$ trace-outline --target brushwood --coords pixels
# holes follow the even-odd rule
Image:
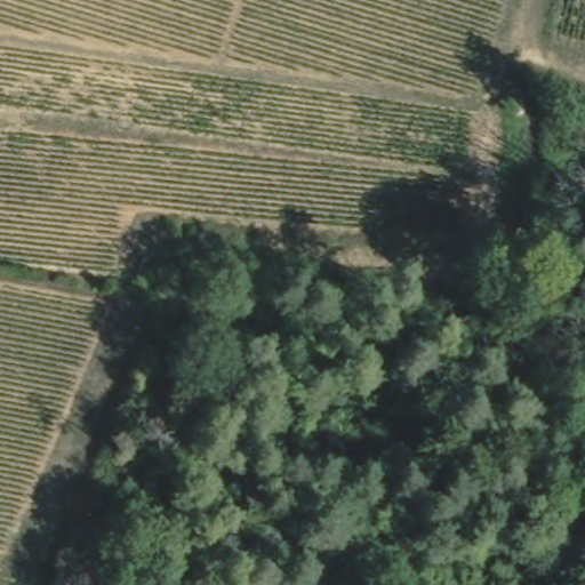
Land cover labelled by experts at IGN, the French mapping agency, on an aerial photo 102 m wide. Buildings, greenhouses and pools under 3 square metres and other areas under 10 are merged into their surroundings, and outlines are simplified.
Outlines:
[[[94,304],[105,295],[114,295],[119,290],[121,274],[64,274],[50,270],[32,270],[18,261],[0,258],[0,279],[43,283],[57,290],[82,295],[94,290]]]

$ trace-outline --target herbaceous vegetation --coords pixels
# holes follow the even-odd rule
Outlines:
[[[315,233],[308,226],[311,215],[290,206],[281,210],[279,231],[199,219],[183,222],[178,217],[158,215],[153,219],[142,222],[137,229],[128,229],[121,235],[123,251],[128,254],[123,258],[121,274],[119,290],[114,295],[105,295],[94,304],[89,313],[89,324],[101,338],[96,361],[87,370],[82,388],[75,398],[75,407],[59,430],[59,439],[50,457],[50,468],[41,475],[41,480],[34,487],[30,516],[25,519],[23,532],[14,542],[9,555],[11,567],[0,569],[0,585],[89,585],[89,576],[101,569],[103,562],[98,519],[110,519],[117,510],[128,507],[130,498],[126,487],[117,489],[114,484],[96,480],[94,471],[98,466],[98,455],[103,450],[119,455],[117,436],[121,432],[128,434],[130,430],[137,430],[139,414],[146,414],[146,379],[158,372],[160,366],[167,363],[167,350],[171,347],[171,340],[181,334],[181,320],[185,318],[185,311],[192,308],[197,302],[192,265],[233,256],[240,265],[245,265],[245,272],[251,279],[297,277],[313,281],[315,286],[329,281],[331,286],[340,288],[340,293],[345,293],[356,281],[356,274],[361,272],[359,267],[388,267],[391,261],[409,261],[423,265],[423,261],[427,258],[443,256],[450,247],[471,245],[473,231],[494,231],[494,226],[505,215],[510,197],[521,192],[532,194],[535,176],[548,162],[542,153],[544,121],[555,110],[558,98],[551,87],[551,80],[560,73],[569,80],[585,82],[585,39],[574,39],[569,34],[558,32],[539,48],[544,0],[500,0],[496,14],[500,18],[498,30],[487,41],[468,32],[466,55],[459,62],[466,71],[480,78],[484,91],[489,94],[489,105],[498,110],[500,149],[494,162],[480,162],[468,153],[443,153],[436,165],[448,171],[446,176],[418,174],[418,178],[414,181],[382,181],[359,201],[359,233]]]

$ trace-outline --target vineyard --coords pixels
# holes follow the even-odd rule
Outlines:
[[[585,39],[585,0],[544,0],[539,48],[558,32],[569,34],[574,39]]]
[[[468,153],[480,162],[494,162],[500,149],[498,110],[489,105],[489,94],[484,91],[480,78],[466,71],[459,62],[466,55],[468,32],[487,41],[498,30],[500,18],[496,14],[500,0],[0,0],[0,258],[18,261],[32,270],[50,270],[64,274],[121,274],[123,258],[128,254],[123,251],[121,235],[128,229],[137,229],[142,222],[153,219],[158,215],[178,217],[183,222],[199,219],[279,231],[281,210],[290,206],[311,215],[308,226],[315,233],[359,233],[359,201],[382,181],[414,181],[418,178],[418,174],[446,176],[448,171],[436,165],[443,153]]]
[[[87,370],[96,361],[101,338],[89,324],[89,313],[94,304],[94,290],[82,295],[57,290],[43,283],[0,279],[0,569],[11,567],[9,555],[14,542],[23,532],[25,519],[30,516],[34,487],[41,480],[41,475],[50,468],[50,457],[59,439],[59,430],[75,407],[75,398],[82,388]]]

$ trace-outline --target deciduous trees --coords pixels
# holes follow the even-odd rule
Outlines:
[[[514,427],[512,432],[505,427],[482,427],[473,434],[464,430],[466,409],[475,402],[475,370],[482,370],[487,366],[487,359],[482,359],[480,354],[443,354],[439,356],[439,366],[434,370],[427,370],[418,379],[418,384],[414,384],[420,391],[423,400],[427,400],[430,411],[446,425],[443,441],[423,443],[420,448],[425,452],[450,452],[464,446],[473,455],[473,462],[462,468],[471,475],[471,480],[484,482],[496,478],[498,473],[510,473],[512,457],[523,459],[528,464],[539,452],[569,452],[574,439],[585,432],[585,384],[580,382],[578,386],[574,386],[576,407],[569,420],[560,425],[560,430],[555,425],[546,425],[544,430]]]
[[[514,567],[496,562],[494,571],[500,578],[505,578],[505,585],[519,585],[521,578],[514,571]]]
[[[544,496],[546,507],[553,507],[558,516],[571,514],[576,519],[585,512],[585,478],[576,484],[555,482],[551,487],[551,494]]]
[[[560,165],[583,155],[585,151],[585,82],[569,80],[560,73],[551,80],[551,87],[558,98],[555,110],[544,121],[542,153],[548,162]]]
[[[185,318],[181,320],[181,334],[171,340],[171,347],[167,350],[167,363],[160,366],[158,372],[146,379],[146,414],[151,418],[158,418],[160,407],[169,407],[174,393],[178,398],[185,398],[187,402],[199,395],[213,395],[215,400],[219,400],[226,393],[226,388],[247,370],[242,361],[242,343],[238,331],[231,329],[231,320],[249,315],[254,308],[249,297],[251,279],[245,272],[245,265],[240,265],[233,256],[192,265],[197,302],[192,308],[185,311]]]
[[[272,521],[263,512],[261,503],[254,500],[249,510],[242,510],[245,514],[240,528],[254,528],[258,535],[265,535]]]
[[[331,414],[329,409],[322,409],[320,420],[304,420],[302,432],[311,434],[315,430],[334,430],[347,436],[359,436],[356,427],[352,425],[352,409]]]
[[[535,322],[542,318],[544,304],[539,283],[528,281],[523,258],[510,265],[507,256],[496,258],[491,251],[487,251],[480,258],[478,267],[478,299],[482,306],[489,306],[494,315],[500,320],[498,327],[491,327],[491,336],[505,343],[530,338],[535,334]]]
[[[350,532],[352,539],[359,535],[379,535],[391,530],[391,510],[379,512],[379,521],[370,526],[363,503],[350,491],[343,500],[338,500],[334,512],[340,516],[343,528]]]
[[[208,548],[192,548],[185,519],[162,516],[158,521],[135,523],[128,507],[117,510],[110,519],[98,519],[103,562],[101,569],[89,576],[89,585],[235,585],[233,569],[238,560],[233,558],[226,544],[215,542]]]
[[[382,574],[382,585],[482,585],[484,558],[473,560],[473,564],[427,560],[423,571],[414,571],[409,558],[402,555],[395,564],[391,564],[386,574]]]

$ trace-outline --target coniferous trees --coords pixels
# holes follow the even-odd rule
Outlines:
[[[491,251],[496,258],[507,256],[510,265],[523,258],[528,281],[539,283],[544,304],[542,318],[535,322],[535,334],[530,338],[505,343],[491,336],[491,327],[498,327],[500,320],[494,315],[489,306],[482,306],[478,299],[478,267],[480,258],[487,251]],[[215,542],[226,544],[233,558],[238,560],[233,569],[235,585],[382,585],[382,574],[386,574],[391,564],[395,564],[402,555],[409,558],[414,571],[423,571],[427,560],[473,564],[473,560],[484,558],[482,585],[505,585],[505,578],[500,578],[494,571],[496,562],[514,567],[514,571],[521,578],[519,585],[585,585],[585,512],[576,519],[571,514],[558,516],[553,507],[546,507],[544,496],[551,494],[551,487],[555,482],[576,484],[585,478],[585,432],[574,439],[569,452],[539,452],[528,464],[523,459],[512,457],[510,473],[498,473],[496,478],[484,482],[471,480],[471,475],[462,468],[473,462],[473,455],[464,446],[450,452],[425,452],[420,448],[423,443],[443,441],[446,425],[430,411],[427,400],[423,400],[420,391],[414,384],[418,384],[418,379],[427,370],[434,370],[439,366],[439,356],[443,354],[480,354],[482,359],[487,359],[487,366],[482,370],[475,370],[475,402],[466,409],[464,430],[473,434],[482,427],[505,427],[512,432],[514,427],[544,430],[546,425],[555,425],[560,430],[560,425],[569,420],[576,407],[574,386],[578,386],[580,382],[585,384],[585,151],[583,155],[560,165],[548,162],[535,176],[532,194],[521,192],[510,197],[505,215],[494,226],[494,231],[473,231],[471,245],[450,247],[443,256],[427,258],[423,261],[423,265],[409,261],[391,261],[388,267],[359,267],[361,272],[356,274],[356,281],[345,293],[340,293],[340,288],[331,286],[329,281],[315,286],[313,281],[297,277],[251,279],[249,297],[254,308],[249,315],[231,320],[231,329],[238,331],[242,343],[242,361],[247,370],[226,388],[226,393],[219,400],[215,400],[213,395],[199,395],[187,402],[185,398],[178,398],[174,393],[169,407],[160,407],[158,418],[151,418],[146,414],[139,414],[137,430],[130,430],[128,434],[121,432],[117,436],[119,455],[103,450],[98,455],[98,466],[94,471],[96,480],[114,484],[117,489],[126,487],[130,498],[128,507],[135,523],[158,521],[162,516],[185,519],[192,548],[208,548]],[[331,414],[352,409],[352,425],[356,427],[359,436],[347,436],[334,430],[315,430],[311,434],[302,432],[304,420],[320,420],[322,409],[329,409]],[[350,491],[363,503],[370,526],[379,521],[379,512],[391,510],[391,530],[379,535],[359,535],[352,539],[350,532],[343,528],[340,516],[334,512],[338,500],[343,500]],[[254,500],[261,503],[263,512],[272,521],[265,535],[258,535],[254,528],[240,528],[245,514],[242,510],[249,510]]]

